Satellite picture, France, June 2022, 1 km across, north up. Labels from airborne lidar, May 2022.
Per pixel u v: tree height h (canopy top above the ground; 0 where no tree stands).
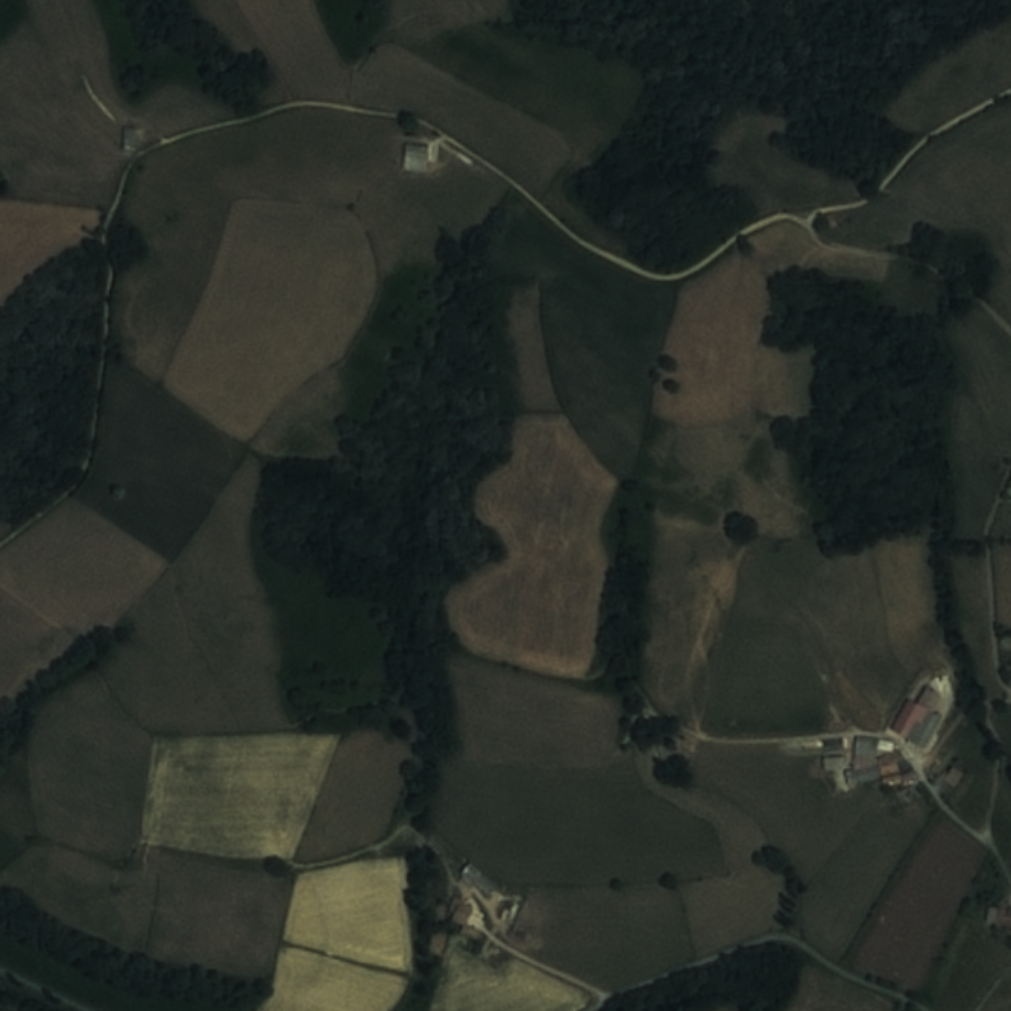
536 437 0
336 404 0
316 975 0
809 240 0
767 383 0
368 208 0
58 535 0
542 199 0
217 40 8
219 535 0
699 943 0
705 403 0
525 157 0
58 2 0
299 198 0
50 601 0
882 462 30
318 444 0
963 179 0
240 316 0
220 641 0
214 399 0
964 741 0
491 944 0
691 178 19
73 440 14
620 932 0
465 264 18
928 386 27
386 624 13
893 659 0
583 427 0
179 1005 0
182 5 17
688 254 8
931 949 0
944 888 0
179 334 0
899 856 0
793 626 0
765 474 0
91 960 28
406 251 0
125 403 0
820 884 0
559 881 0
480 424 20
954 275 18
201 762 0
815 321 27
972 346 0
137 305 0
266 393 0
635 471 0
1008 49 0
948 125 0
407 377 17
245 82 17
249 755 0
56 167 0
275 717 0
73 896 0
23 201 0
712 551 0
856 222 0
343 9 0
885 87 9
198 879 0
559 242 0
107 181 0
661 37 12
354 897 0
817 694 0
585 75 0
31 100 0
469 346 19
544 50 0
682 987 21
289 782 0
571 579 0
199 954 0
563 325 0
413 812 17
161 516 0
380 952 0
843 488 13
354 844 0
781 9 21
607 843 0
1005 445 0
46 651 0
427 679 25
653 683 0
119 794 0
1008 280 0
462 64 0
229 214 0
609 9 12
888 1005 0
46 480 17
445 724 16
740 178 0
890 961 0
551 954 0
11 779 0
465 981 0
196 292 0
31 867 0
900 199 0
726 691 0
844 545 20
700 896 0
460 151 0
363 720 10
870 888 0
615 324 0
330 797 0
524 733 0
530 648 0
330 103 0
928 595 0
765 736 0
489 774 0
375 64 0
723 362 0
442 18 0
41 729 0
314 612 0
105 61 0
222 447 0
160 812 0
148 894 0
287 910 0
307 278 0
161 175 0
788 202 0
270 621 0
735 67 6
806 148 17
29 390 21
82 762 0
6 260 0
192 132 0
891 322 27
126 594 0
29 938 23
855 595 0
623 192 19
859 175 10
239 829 0
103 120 0
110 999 0
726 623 0
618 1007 19
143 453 0
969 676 10
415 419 23
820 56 16
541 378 0
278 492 12
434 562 18
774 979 23
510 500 0
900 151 9
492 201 0
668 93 24
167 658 0
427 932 11
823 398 19
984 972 0
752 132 0
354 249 0
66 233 0
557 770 0
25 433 16
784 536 0
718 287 0
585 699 0
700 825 0
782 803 0
